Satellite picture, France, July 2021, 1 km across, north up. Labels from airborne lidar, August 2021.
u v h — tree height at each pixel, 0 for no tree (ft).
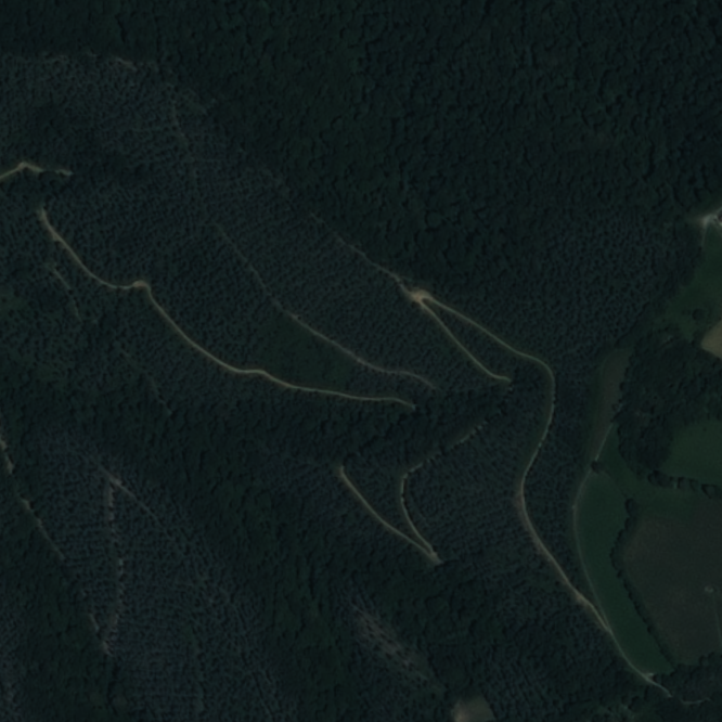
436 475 56
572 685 57
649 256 55
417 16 83
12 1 98
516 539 36
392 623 21
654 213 44
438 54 84
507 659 64
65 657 75
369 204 81
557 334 42
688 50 73
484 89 78
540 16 71
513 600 58
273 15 21
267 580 72
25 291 73
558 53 92
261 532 32
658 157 82
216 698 53
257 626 66
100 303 56
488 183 71
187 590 55
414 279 43
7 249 74
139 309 49
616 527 0
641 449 75
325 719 79
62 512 49
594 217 60
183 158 56
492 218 94
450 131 71
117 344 69
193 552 69
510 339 37
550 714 71
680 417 79
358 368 33
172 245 69
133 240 33
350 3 110
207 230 64
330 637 28
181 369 54
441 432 86
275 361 19
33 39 69
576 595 0
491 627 34
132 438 73
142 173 86
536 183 64
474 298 33
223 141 48
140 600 59
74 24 69
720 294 0
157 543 43
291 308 38
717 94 60
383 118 93
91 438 59
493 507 32
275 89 92
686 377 56
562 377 44
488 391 56
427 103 62
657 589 0
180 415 84
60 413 92
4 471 53
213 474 76
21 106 51
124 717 41
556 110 69
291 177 54
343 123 91
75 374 82
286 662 71
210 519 75
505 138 82
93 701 80
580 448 29
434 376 50
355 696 38
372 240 54
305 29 78
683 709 72
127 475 56
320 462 47
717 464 0
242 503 35
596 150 39
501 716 66
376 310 34
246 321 52
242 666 59
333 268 44
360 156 105
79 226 60
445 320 37
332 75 82
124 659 66
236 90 57
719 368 76
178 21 71
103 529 73
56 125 89
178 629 67
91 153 60
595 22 77
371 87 93
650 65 88
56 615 34
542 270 30
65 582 73
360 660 73
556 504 34
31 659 74
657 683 51
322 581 70
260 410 56
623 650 0
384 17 79
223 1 99
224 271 59
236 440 73
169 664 67
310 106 68
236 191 42
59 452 65
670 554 0
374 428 73
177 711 79
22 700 65
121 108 54
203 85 62
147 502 54
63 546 61
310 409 58
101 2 92
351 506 51
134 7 84
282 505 84
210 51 82
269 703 53
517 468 36
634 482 0
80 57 67
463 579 39
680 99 86
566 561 32
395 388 59
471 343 36
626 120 84
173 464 70
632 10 73
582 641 50
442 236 111
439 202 101
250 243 30
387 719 54
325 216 59
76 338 81
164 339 47
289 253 34
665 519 0
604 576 0
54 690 68
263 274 44
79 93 49
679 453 0
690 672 28
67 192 71
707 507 0
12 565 28
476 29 79
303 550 35
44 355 71
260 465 59
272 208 45
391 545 45
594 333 51
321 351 23
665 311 49
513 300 41
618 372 0
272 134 33
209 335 71
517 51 50
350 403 60
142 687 66
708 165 94
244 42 84
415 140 87
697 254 66
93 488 63
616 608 0
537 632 63
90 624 46
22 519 94
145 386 72
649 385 92
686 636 0
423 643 62
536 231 70
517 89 62
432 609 69
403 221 72
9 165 65
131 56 74
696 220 0
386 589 55
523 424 50
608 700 63
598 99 74
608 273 65
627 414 59
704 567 0
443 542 48
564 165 56
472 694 35
